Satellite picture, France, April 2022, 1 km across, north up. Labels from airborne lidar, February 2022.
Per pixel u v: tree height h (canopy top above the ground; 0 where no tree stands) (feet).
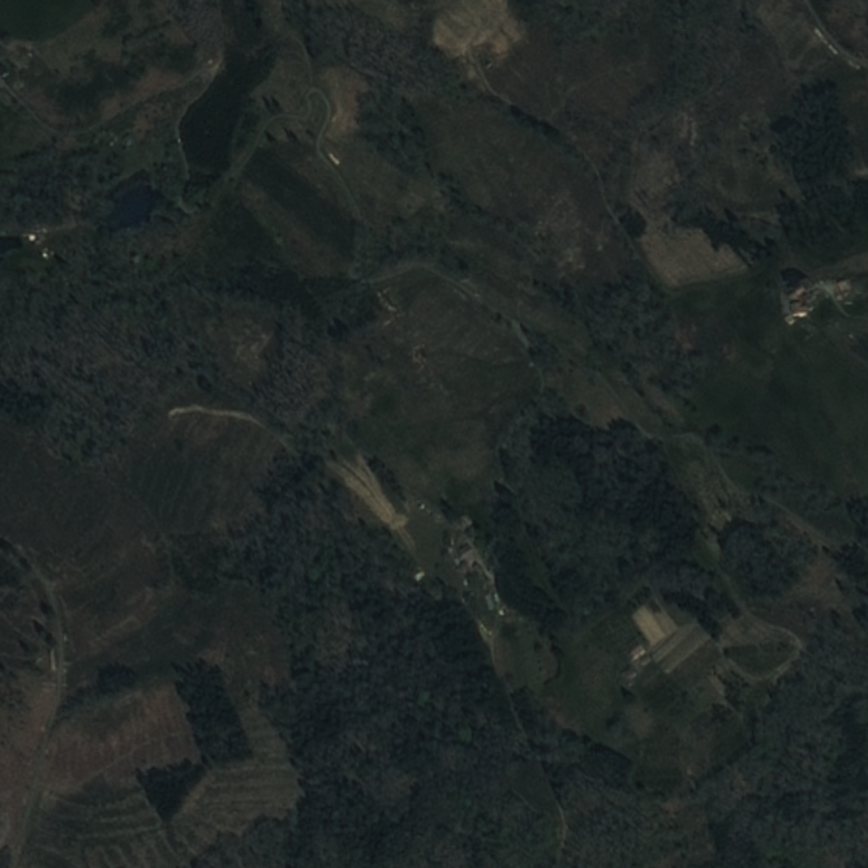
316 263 0
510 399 0
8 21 0
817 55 0
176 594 0
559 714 0
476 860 42
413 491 0
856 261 0
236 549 72
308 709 70
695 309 0
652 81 0
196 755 0
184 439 0
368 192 0
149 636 0
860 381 0
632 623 0
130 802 0
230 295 86
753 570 71
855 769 54
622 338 87
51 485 0
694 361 76
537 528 56
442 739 105
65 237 0
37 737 0
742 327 0
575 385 0
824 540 0
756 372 0
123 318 86
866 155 0
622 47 0
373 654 65
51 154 79
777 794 77
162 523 0
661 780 0
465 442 0
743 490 0
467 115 0
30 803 0
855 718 60
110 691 73
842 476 0
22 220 64
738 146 0
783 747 94
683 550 115
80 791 0
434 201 0
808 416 0
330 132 0
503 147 0
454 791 75
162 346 100
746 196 0
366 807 59
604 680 0
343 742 70
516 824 78
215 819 0
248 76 26
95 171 77
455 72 84
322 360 72
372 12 0
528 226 82
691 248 0
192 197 50
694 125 0
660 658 0
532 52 0
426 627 117
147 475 0
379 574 95
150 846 0
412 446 0
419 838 64
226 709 87
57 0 0
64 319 75
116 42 0
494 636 0
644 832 97
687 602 45
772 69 0
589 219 0
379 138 27
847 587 0
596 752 55
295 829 69
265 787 0
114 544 0
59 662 0
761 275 0
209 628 0
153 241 85
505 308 0
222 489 0
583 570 65
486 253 0
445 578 0
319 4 0
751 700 0
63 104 0
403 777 107
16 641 0
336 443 74
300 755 25
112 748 0
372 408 0
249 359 0
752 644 0
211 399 94
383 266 74
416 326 0
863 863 66
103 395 81
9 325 60
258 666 0
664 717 0
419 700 28
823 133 99
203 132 30
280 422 66
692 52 61
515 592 52
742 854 55
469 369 0
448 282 0
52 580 0
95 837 0
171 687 0
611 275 0
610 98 0
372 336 71
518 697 51
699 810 0
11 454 0
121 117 21
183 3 37
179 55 0
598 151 0
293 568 80
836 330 0
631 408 0
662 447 24
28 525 0
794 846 68
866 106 0
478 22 0
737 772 77
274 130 0
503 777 96
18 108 52
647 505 86
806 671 78
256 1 111
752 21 86
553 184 0
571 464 67
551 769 59
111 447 73
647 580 79
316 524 93
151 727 0
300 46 0
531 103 0
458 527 76
